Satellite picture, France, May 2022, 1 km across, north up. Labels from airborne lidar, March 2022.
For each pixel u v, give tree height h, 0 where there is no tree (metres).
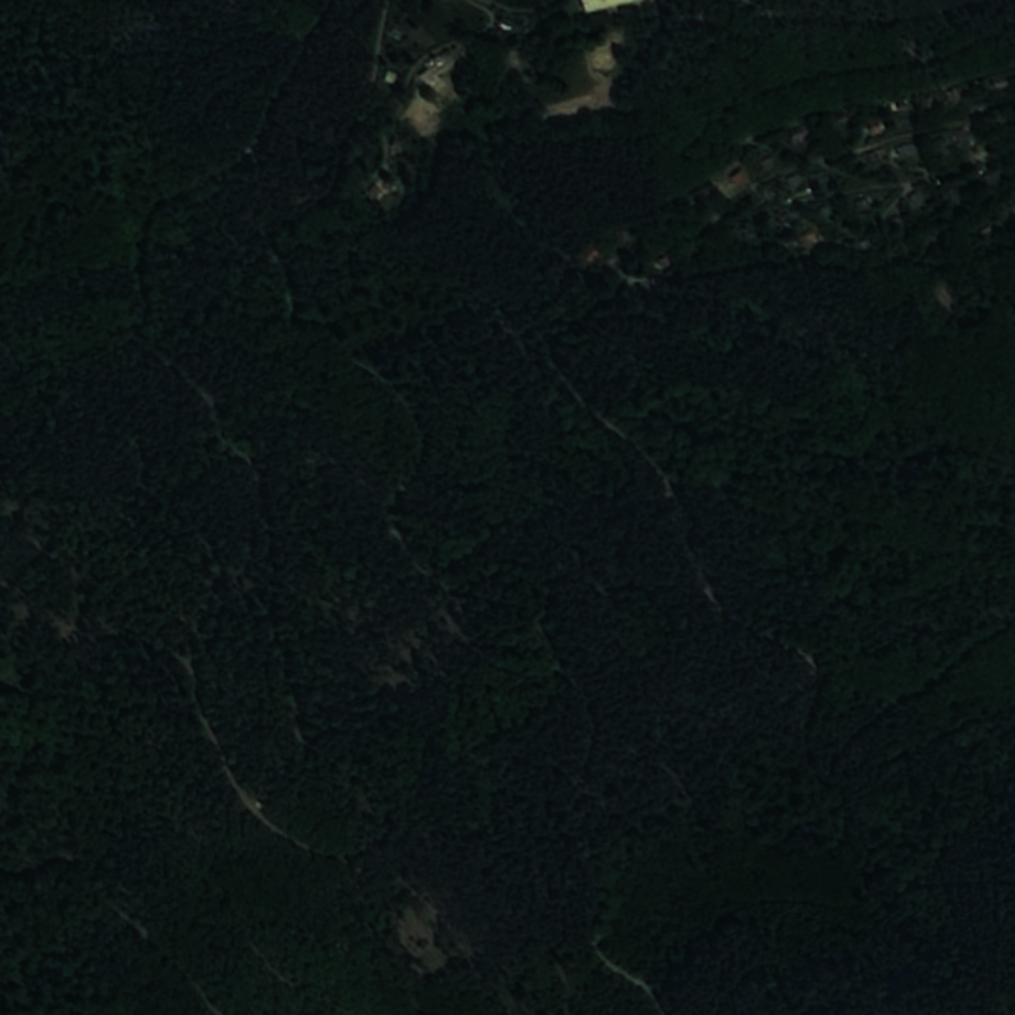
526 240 32
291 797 13
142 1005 25
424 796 24
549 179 31
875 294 23
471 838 30
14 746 31
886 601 22
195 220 29
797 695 29
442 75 0
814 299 28
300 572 29
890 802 30
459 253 26
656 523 38
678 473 27
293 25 23
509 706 31
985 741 29
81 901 25
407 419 19
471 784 24
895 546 23
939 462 25
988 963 27
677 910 8
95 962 29
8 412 23
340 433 27
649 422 36
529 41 10
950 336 24
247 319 22
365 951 19
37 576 24
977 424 26
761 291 30
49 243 20
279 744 21
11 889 30
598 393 35
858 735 30
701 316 26
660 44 17
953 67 19
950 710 21
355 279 31
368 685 33
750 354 28
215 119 22
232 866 15
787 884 8
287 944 18
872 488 26
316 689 33
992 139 13
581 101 0
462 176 26
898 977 7
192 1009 21
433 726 31
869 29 18
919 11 18
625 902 9
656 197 27
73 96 33
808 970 7
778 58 20
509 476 24
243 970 17
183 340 32
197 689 17
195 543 24
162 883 25
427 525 29
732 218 13
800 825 34
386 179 21
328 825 12
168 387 26
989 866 22
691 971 30
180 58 19
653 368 28
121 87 21
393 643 29
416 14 22
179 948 18
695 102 23
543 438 39
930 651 23
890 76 19
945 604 22
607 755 32
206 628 23
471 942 26
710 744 35
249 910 15
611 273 19
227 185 31
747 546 36
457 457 21
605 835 30
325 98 28
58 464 22
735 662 29
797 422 33
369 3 31
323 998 12
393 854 21
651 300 41
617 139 29
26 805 30
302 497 25
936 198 6
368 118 21
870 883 31
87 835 25
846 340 34
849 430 23
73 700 31
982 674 24
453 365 36
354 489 27
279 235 26
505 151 36
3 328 23
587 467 25
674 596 32
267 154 31
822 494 28
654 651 31
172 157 18
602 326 39
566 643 31
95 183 39
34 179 15
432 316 20
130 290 25
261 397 26
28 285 27
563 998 6
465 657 30
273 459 21
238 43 21
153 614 24
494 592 37
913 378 27
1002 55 16
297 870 14
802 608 32
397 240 28
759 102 19
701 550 40
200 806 21
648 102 22
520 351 31
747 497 24
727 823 26
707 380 25
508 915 33
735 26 19
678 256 18
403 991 20
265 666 22
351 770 20
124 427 27
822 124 20
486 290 26
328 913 15
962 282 20
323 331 16
